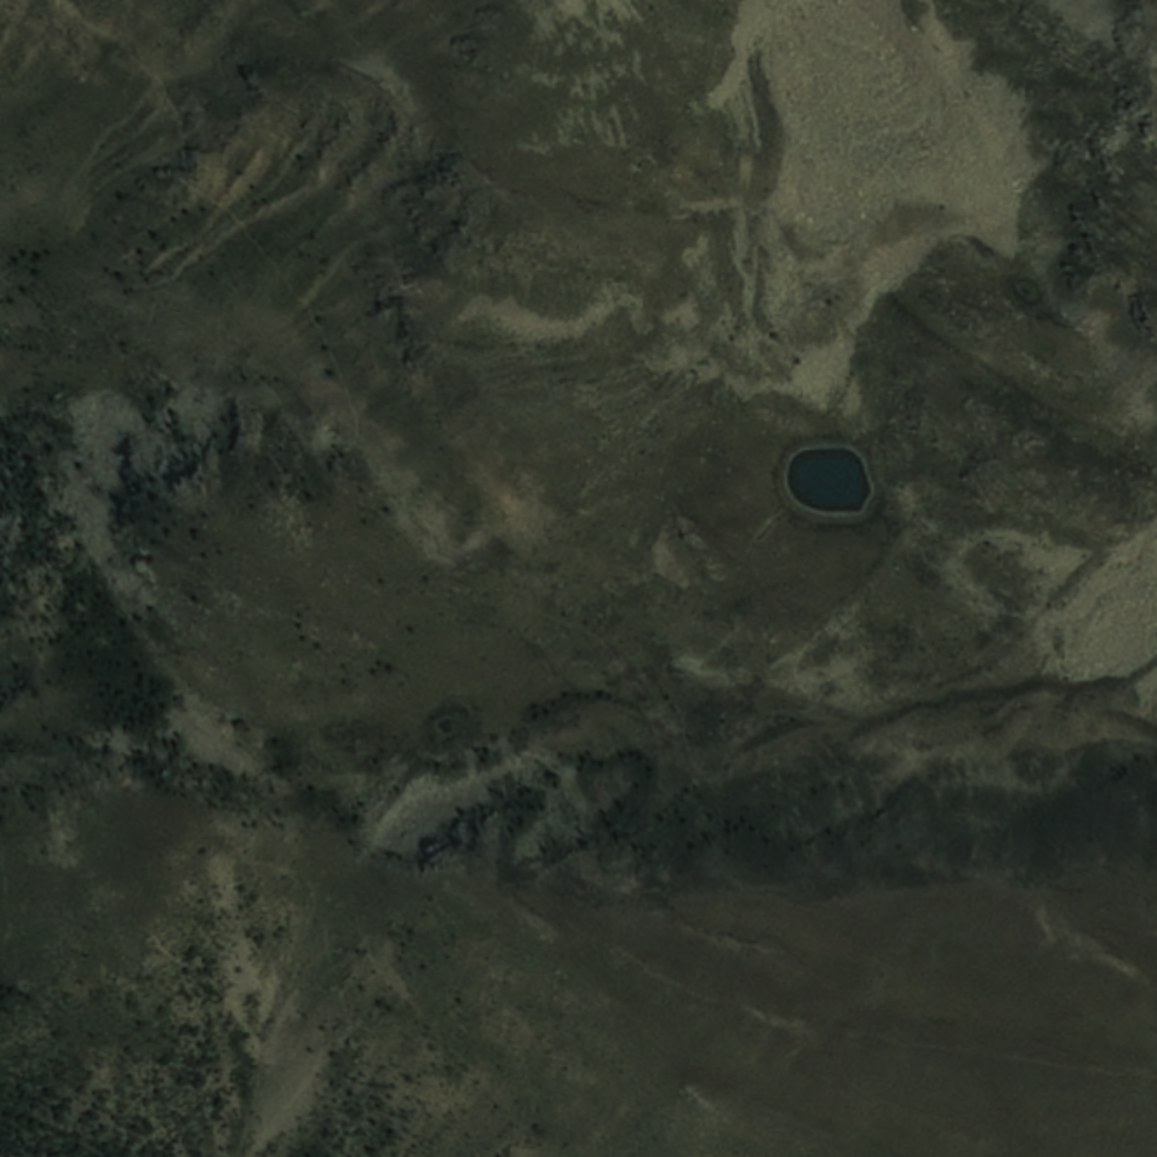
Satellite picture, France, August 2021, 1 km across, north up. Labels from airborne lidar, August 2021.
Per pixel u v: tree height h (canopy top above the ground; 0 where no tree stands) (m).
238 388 0
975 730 0
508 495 0
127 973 0
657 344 0
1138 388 0
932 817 0
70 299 0
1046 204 0
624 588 0
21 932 0
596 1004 0
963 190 0
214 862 0
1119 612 0
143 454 0
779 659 0
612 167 0
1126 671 0
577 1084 0
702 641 0
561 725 0
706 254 0
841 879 0
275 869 0
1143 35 0
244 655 0
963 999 0
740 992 0
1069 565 0
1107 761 0
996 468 0
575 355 0
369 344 0
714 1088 0
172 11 0
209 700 0
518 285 0
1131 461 0
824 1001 0
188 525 0
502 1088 0
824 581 0
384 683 0
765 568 0
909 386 0
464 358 0
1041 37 0
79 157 0
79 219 0
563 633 0
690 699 0
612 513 0
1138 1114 0
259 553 0
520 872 0
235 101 0
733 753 0
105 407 0
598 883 0
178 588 0
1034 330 0
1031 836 0
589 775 0
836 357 0
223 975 0
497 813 0
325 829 0
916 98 0
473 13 0
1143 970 0
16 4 0
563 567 0
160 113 0
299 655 0
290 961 0
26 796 9
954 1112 0
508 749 0
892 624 0
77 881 0
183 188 0
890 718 0
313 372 0
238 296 0
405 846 0
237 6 0
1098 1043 0
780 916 0
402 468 0
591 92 0
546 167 0
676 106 0
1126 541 0
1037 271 0
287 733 0
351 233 0
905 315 0
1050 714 0
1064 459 0
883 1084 0
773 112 0
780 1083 0
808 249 0
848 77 0
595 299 0
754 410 0
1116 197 0
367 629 0
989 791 0
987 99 0
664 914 0
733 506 0
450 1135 0
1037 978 0
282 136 0
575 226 0
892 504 0
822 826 0
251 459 0
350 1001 0
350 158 0
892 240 0
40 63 0
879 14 0
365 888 0
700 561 0
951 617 0
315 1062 0
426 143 0
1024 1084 0
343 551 0
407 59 0
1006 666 0
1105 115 0
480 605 0
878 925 0
